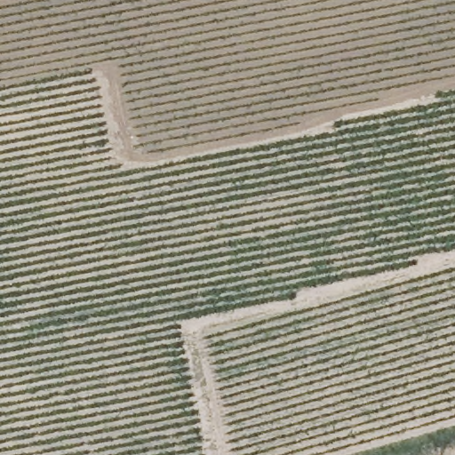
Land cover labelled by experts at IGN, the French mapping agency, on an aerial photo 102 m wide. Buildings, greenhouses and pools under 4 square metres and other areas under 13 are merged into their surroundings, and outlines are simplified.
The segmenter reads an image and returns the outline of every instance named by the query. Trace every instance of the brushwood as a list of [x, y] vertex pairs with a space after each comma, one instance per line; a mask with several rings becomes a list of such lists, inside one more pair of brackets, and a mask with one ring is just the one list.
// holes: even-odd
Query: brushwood
[[455, 455], [455, 427], [419, 435], [402, 443], [387, 444], [373, 451], [371, 455]]

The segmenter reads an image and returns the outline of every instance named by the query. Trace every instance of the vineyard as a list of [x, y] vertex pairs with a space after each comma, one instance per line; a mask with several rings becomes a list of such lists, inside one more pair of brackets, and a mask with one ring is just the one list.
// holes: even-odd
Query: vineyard
[[455, 427], [455, 0], [0, 0], [0, 455], [371, 455], [373, 451], [387, 444], [402, 443], [419, 435]]

